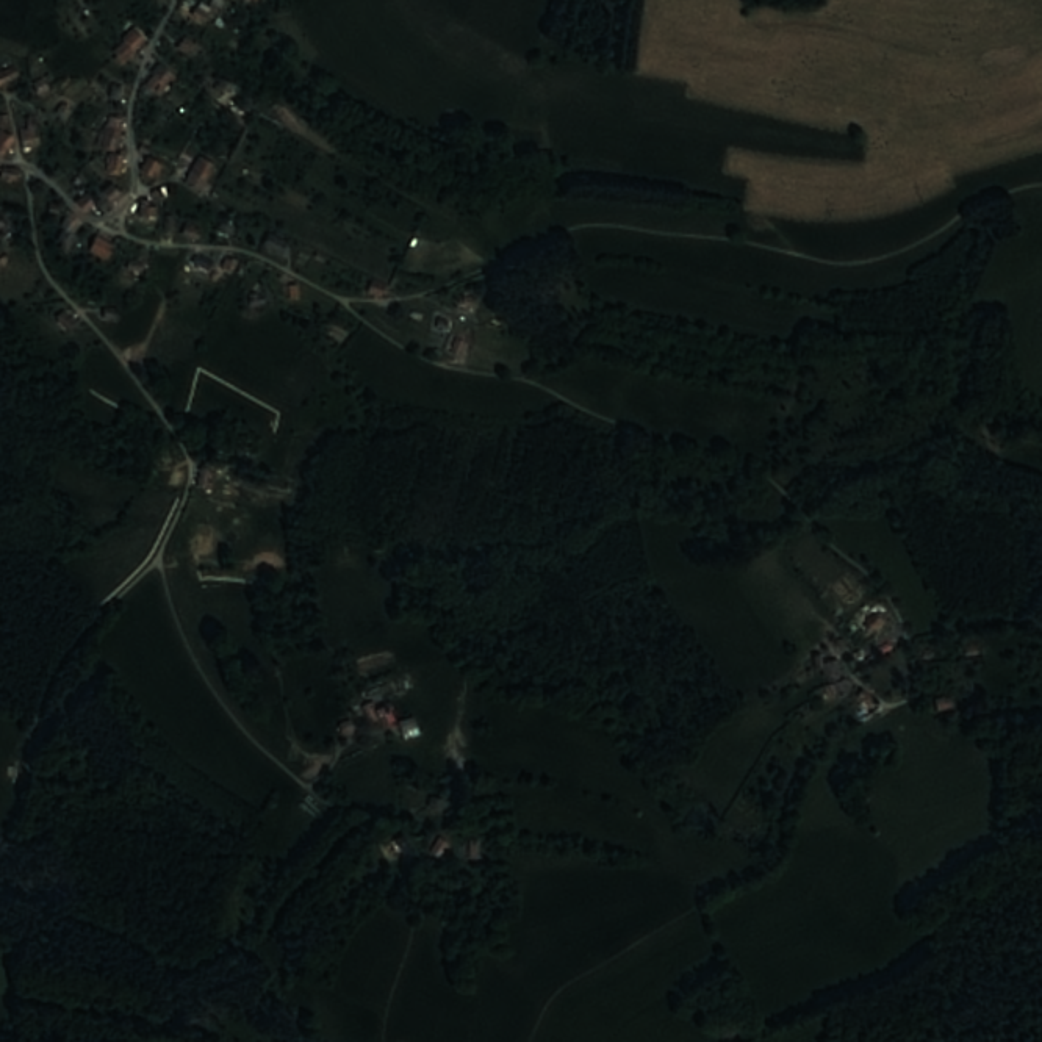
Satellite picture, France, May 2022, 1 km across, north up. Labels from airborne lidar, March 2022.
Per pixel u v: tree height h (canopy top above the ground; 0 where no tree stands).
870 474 27
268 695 0
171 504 0
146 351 0
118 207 0
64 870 28
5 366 18
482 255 0
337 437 16
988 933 13
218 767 0
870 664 9
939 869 0
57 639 17
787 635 0
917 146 0
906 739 0
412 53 0
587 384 0
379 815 22
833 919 0
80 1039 11
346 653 8
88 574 0
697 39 0
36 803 20
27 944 26
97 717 21
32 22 0
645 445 13
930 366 29
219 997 34
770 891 0
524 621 17
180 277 0
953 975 20
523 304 29
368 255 0
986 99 0
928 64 0
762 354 17
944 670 7
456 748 0
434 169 28
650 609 6
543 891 0
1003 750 25
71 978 27
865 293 9
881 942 0
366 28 0
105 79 6
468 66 0
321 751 0
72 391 16
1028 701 0
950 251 10
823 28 0
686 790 8
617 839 0
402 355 0
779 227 0
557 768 0
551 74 0
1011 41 0
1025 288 0
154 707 0
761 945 0
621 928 0
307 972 27
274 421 0
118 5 0
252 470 20
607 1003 0
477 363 0
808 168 0
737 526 33
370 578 0
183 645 0
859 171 0
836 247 0
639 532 11
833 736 13
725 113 0
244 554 0
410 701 0
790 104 0
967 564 17
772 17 0
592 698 28
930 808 0
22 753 0
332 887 10
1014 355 18
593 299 13
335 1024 0
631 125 0
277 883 12
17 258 0
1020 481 19
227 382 0
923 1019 17
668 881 0
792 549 0
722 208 7
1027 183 0
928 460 26
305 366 0
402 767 17
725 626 0
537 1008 0
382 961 0
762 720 0
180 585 0
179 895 21
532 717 0
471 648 28
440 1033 0
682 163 0
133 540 0
